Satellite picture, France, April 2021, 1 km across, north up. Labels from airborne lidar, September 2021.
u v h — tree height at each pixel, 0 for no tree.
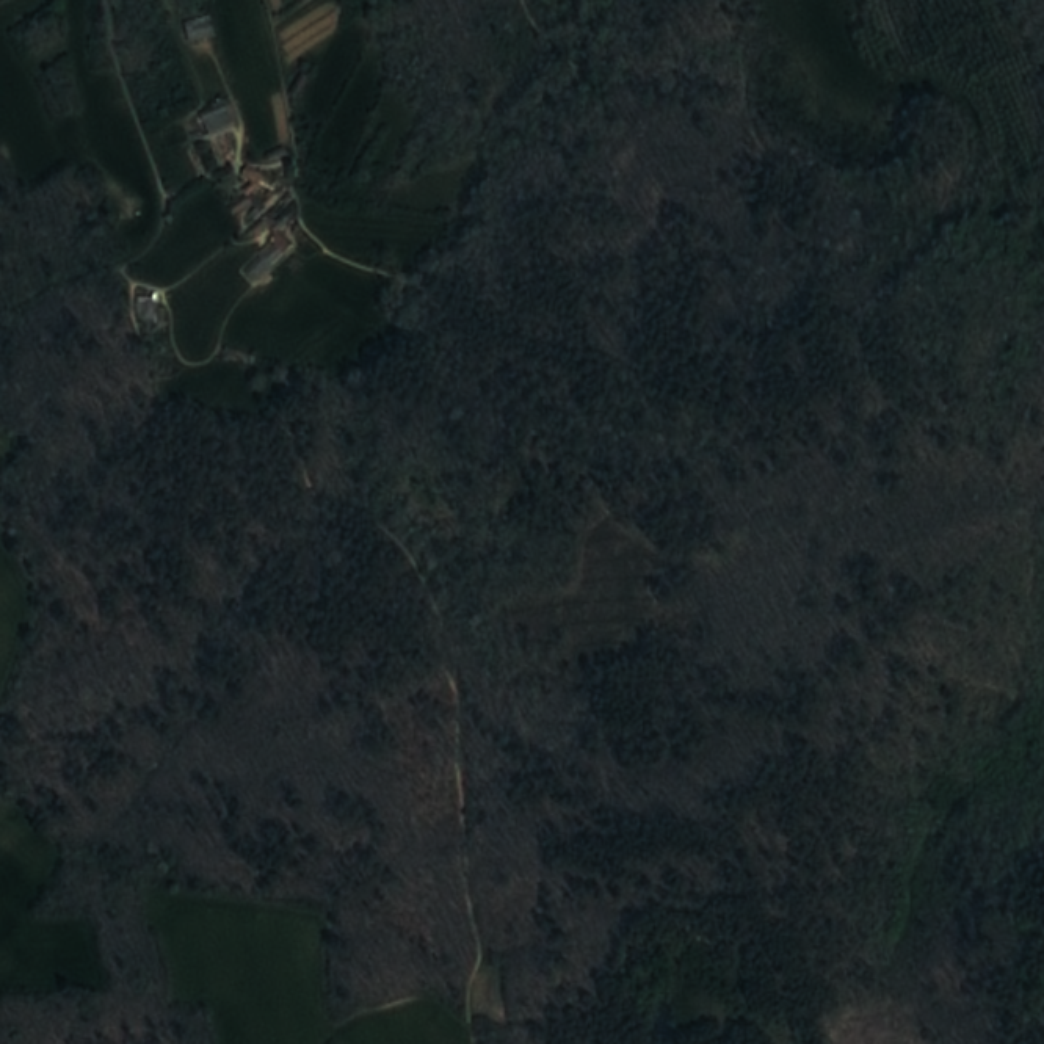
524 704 20
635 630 0
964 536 14
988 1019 0
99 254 21
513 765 29
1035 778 17
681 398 25
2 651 0
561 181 23
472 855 19
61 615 24
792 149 17
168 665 19
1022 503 20
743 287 21
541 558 19
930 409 16
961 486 22
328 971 11
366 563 28
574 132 24
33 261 20
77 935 0
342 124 0
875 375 27
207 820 15
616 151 15
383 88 11
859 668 17
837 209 20
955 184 10
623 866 22
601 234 29
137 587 24
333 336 0
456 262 21
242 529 22
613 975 16
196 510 24
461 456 26
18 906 0
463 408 19
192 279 0
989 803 16
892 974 17
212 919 0
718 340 19
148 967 14
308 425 26
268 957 0
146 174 0
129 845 17
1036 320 23
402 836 13
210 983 0
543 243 26
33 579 12
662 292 22
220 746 15
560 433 29
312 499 17
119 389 30
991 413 23
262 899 8
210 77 0
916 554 16
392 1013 0
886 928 18
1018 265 20
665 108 31
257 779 9
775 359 30
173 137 0
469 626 18
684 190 12
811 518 17
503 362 29
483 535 23
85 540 19
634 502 13
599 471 18
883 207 10
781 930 20
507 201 22
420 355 31
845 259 12
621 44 29
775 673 19
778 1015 17
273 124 0
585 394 29
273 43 0
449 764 19
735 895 25
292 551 22
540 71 22
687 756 26
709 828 17
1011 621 11
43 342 19
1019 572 13
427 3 13
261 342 0
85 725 13
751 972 20
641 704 25
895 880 22
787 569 18
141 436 34
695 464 17
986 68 26
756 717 31
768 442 22
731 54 15
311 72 9
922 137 27
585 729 17
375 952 14
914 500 20
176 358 7
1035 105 24
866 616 19
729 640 20
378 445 19
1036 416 20
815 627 20
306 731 9
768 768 28
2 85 0
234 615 23
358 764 14
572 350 26
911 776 22
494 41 14
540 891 7
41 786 11
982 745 21
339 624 27
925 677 10
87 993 12
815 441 25
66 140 0
